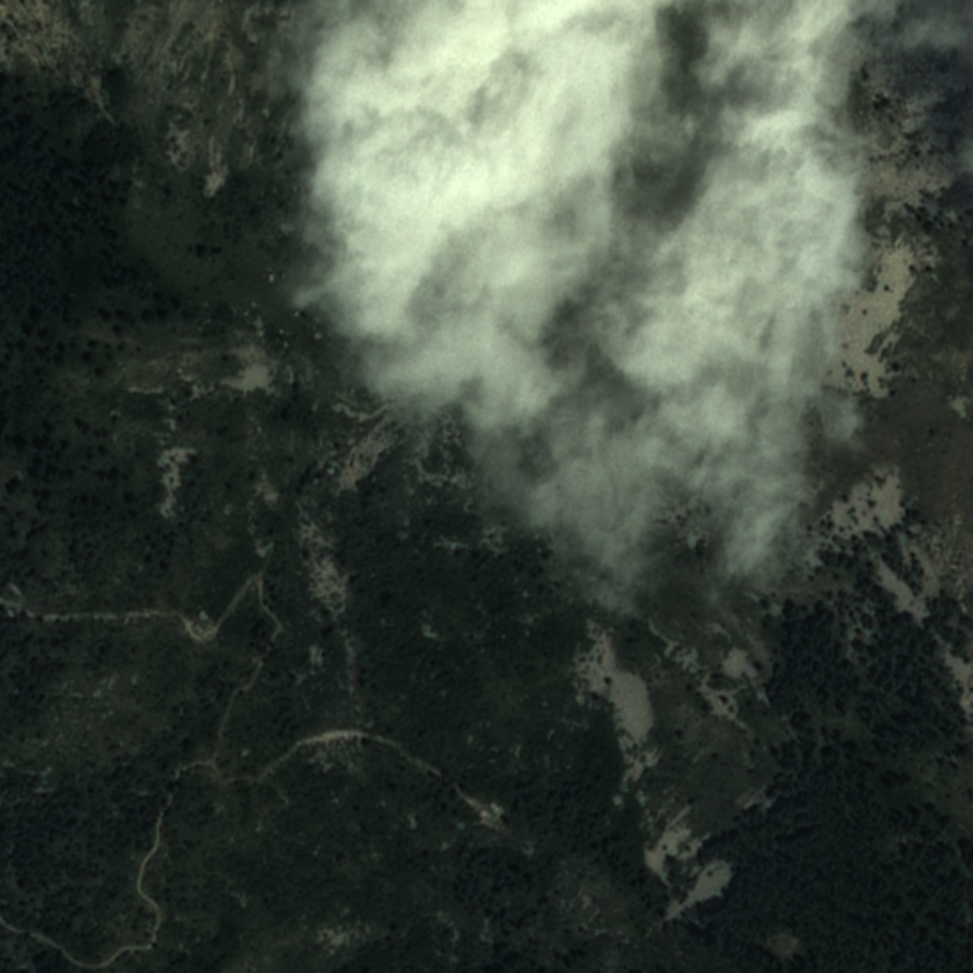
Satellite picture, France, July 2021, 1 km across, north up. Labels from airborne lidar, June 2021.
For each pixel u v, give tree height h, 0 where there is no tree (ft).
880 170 0
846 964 67
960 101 0
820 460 0
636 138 0
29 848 28
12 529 23
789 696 50
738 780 0
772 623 45
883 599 56
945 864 86
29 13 0
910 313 0
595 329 0
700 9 0
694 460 0
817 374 0
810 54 0
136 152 26
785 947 0
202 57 0
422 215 25
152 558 40
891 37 0
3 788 21
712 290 0
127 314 62
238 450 0
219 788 0
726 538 0
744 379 0
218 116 0
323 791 19
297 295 0
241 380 0
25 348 61
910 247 0
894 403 0
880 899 97
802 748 40
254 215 37
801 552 0
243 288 0
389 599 55
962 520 0
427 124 0
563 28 0
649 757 0
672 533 0
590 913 0
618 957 0
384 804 0
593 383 0
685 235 0
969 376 0
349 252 28
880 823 88
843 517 0
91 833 26
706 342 0
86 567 20
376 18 0
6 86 65
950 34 0
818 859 78
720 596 0
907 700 91
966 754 71
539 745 19
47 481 34
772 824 40
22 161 98
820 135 0
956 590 0
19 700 34
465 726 22
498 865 40
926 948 96
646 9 0
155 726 0
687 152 0
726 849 46
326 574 0
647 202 0
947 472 0
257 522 20
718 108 0
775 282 0
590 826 37
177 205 0
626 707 0
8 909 23
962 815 0
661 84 0
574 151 0
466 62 0
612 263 0
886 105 30
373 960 17
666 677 0
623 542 0
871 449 0
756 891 68
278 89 0
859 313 0
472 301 36
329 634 44
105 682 0
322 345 0
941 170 0
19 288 98
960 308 0
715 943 88
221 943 33
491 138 0
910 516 33
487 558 23
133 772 43
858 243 0
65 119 25
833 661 90
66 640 21
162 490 20
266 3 0
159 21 0
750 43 0
